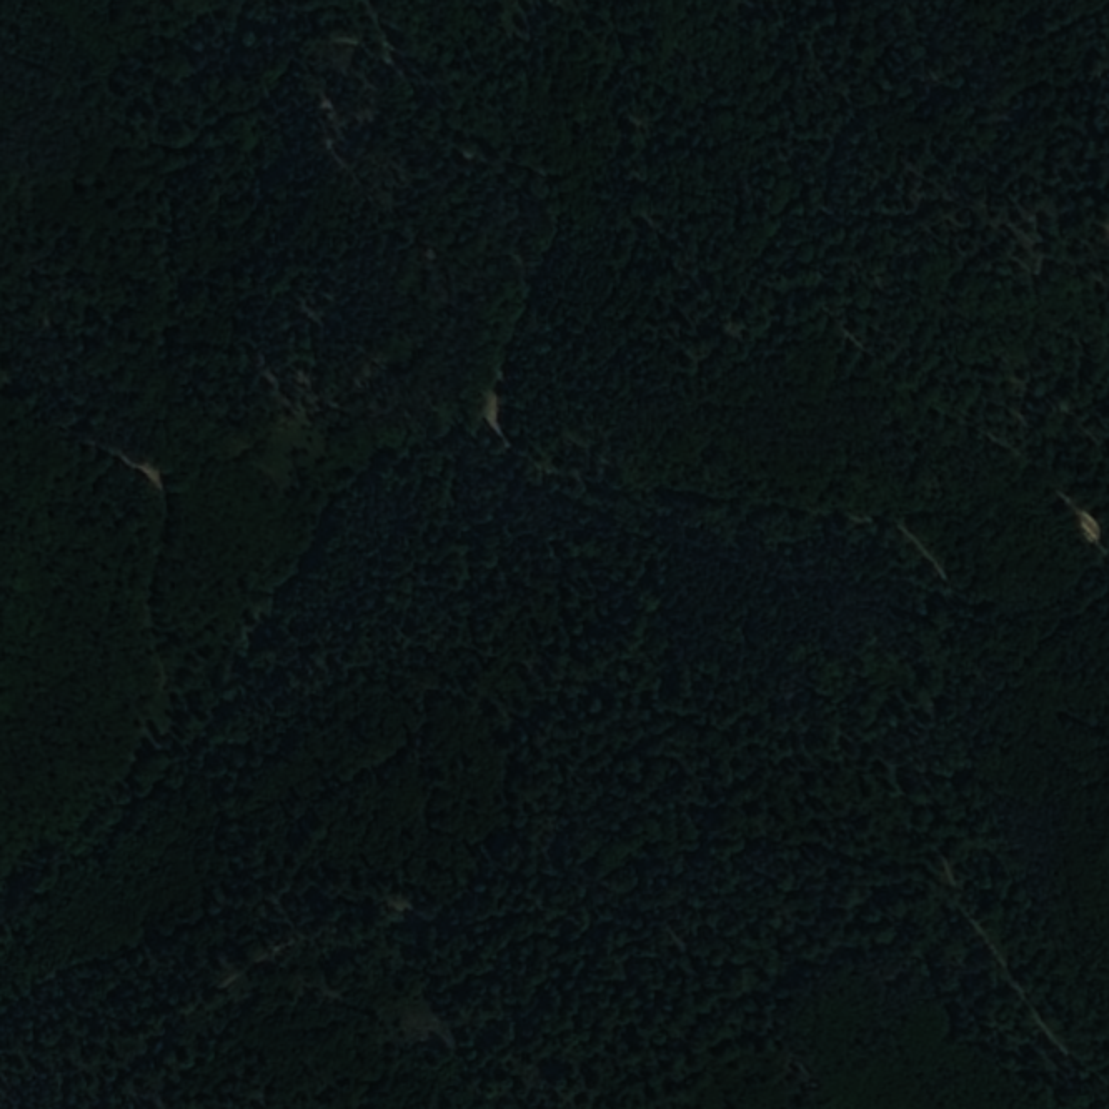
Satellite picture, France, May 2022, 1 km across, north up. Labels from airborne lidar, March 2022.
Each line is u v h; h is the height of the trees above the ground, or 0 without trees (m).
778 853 25
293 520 16
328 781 14
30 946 22
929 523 19
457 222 12
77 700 19
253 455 9
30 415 18
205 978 10
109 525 20
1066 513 17
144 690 16
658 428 13
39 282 25
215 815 10
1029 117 14
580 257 15
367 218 20
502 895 36
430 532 33
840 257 21
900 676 6
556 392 18
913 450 9
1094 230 14
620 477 20
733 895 36
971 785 26
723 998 16
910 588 31
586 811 34
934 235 21
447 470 28
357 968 34
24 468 22
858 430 17
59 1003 14
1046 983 16
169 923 12
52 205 12
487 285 26
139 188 12
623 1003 29
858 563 29
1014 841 19
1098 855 25
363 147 18
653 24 22
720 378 15
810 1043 26
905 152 15
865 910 22
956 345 23
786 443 17
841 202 14
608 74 7
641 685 35
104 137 24
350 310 31
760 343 13
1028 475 14
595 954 29
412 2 18
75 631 21
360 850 17
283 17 26
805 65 26
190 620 22
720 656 32
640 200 25
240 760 14
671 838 26
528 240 11
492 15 19
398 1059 12
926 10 22
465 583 13
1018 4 12
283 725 7
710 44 20
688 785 37
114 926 24
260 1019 9
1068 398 36
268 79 17
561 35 12
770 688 29
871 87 22
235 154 21
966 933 29
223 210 14
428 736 16
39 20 17
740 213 25
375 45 17
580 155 13
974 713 27
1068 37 16
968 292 23
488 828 15
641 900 30
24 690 20
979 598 16
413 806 8
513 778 36
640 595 36
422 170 30
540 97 20
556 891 32
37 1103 25
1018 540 17
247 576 23
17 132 26
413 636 25
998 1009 34
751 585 31
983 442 16
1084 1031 20
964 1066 24
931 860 35
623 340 8
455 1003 34
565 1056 27
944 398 19
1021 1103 24
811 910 33
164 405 22
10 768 23
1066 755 24
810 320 20
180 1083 8
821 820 15
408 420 27
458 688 13
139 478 21
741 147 22
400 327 25
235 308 13
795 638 31
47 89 23
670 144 22
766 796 24
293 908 15
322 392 27
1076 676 22
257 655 19
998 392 11
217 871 14
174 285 11
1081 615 18
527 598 42
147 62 23
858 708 29
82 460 22
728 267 28
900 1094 23
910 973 25
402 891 39
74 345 28
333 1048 15
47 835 22
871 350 8
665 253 9
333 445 11
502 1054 27
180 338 16
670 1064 34
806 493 20
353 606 26
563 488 26
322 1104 16
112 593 21
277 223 10
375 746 16
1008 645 24
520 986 30
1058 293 17
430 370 25
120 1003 13
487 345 30
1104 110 17
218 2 14
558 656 40
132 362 32
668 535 36
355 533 25
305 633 31
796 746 29
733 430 16
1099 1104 31
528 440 21
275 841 21
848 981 22
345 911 17
